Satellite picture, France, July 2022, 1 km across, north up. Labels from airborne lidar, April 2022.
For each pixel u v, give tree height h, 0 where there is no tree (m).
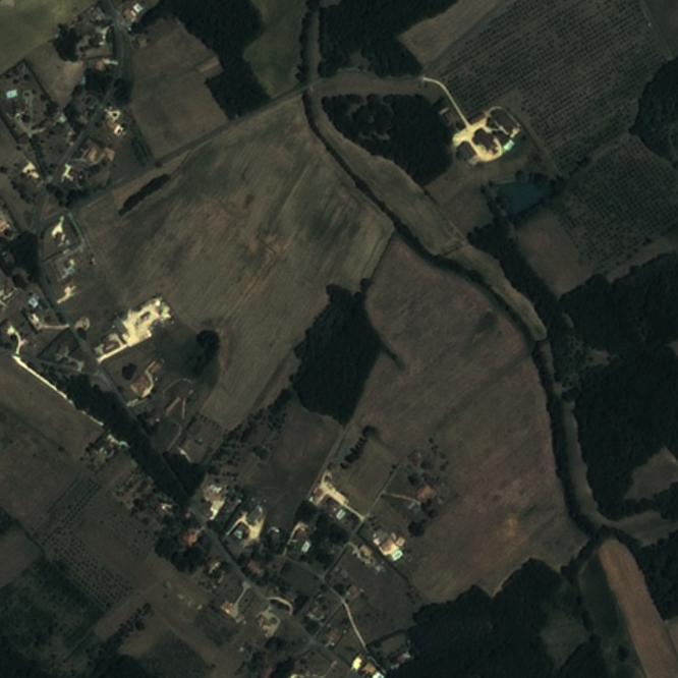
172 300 0
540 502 0
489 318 0
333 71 13
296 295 0
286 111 0
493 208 13
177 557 14
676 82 17
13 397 0
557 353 14
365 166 0
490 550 0
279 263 0
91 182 0
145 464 15
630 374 19
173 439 0
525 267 16
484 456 0
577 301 20
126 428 18
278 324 0
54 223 0
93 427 0
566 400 14
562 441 19
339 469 0
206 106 0
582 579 0
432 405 0
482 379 0
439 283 0
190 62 0
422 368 0
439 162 20
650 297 16
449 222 0
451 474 0
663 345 12
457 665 18
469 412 0
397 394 0
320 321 12
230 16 23
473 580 0
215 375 0
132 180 0
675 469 0
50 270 0
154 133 0
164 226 0
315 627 8
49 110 7
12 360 0
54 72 0
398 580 0
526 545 0
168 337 0
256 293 0
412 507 0
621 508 14
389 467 0
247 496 7
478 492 0
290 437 0
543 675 11
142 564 0
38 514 0
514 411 0
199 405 0
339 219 0
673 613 14
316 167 0
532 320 0
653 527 0
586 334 12
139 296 0
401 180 0
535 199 0
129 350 0
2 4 0
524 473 0
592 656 18
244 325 0
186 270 0
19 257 14
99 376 0
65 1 0
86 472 0
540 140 0
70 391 14
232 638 0
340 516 0
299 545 0
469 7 0
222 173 0
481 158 0
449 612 14
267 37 0
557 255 0
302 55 9
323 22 12
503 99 0
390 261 0
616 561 0
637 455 8
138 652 0
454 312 0
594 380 16
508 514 0
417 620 16
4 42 0
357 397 16
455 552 0
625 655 20
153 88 0
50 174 8
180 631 0
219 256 0
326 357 14
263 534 6
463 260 0
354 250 0
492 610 12
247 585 0
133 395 0
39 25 0
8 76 7
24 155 0
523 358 0
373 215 0
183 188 0
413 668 19
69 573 6
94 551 0
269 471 0
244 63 18
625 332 18
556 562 0
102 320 0
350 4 14
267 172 0
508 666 16
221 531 9
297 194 0
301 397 15
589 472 11
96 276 0
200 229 0
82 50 6
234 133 0
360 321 18
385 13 17
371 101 10
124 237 0
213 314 0
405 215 0
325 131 0
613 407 17
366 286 14
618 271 0
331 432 0
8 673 16
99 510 0
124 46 0
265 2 0
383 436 0
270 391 0
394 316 0
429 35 0
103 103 0
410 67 12
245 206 0
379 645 8
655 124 13
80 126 8
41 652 0
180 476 17
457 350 0
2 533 7
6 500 0
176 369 0
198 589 0
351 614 0
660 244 0
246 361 0
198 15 25
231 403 0
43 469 0
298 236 0
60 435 0
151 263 0
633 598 0
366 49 9
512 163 0
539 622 13
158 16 17
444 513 0
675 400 21
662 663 0
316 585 0
